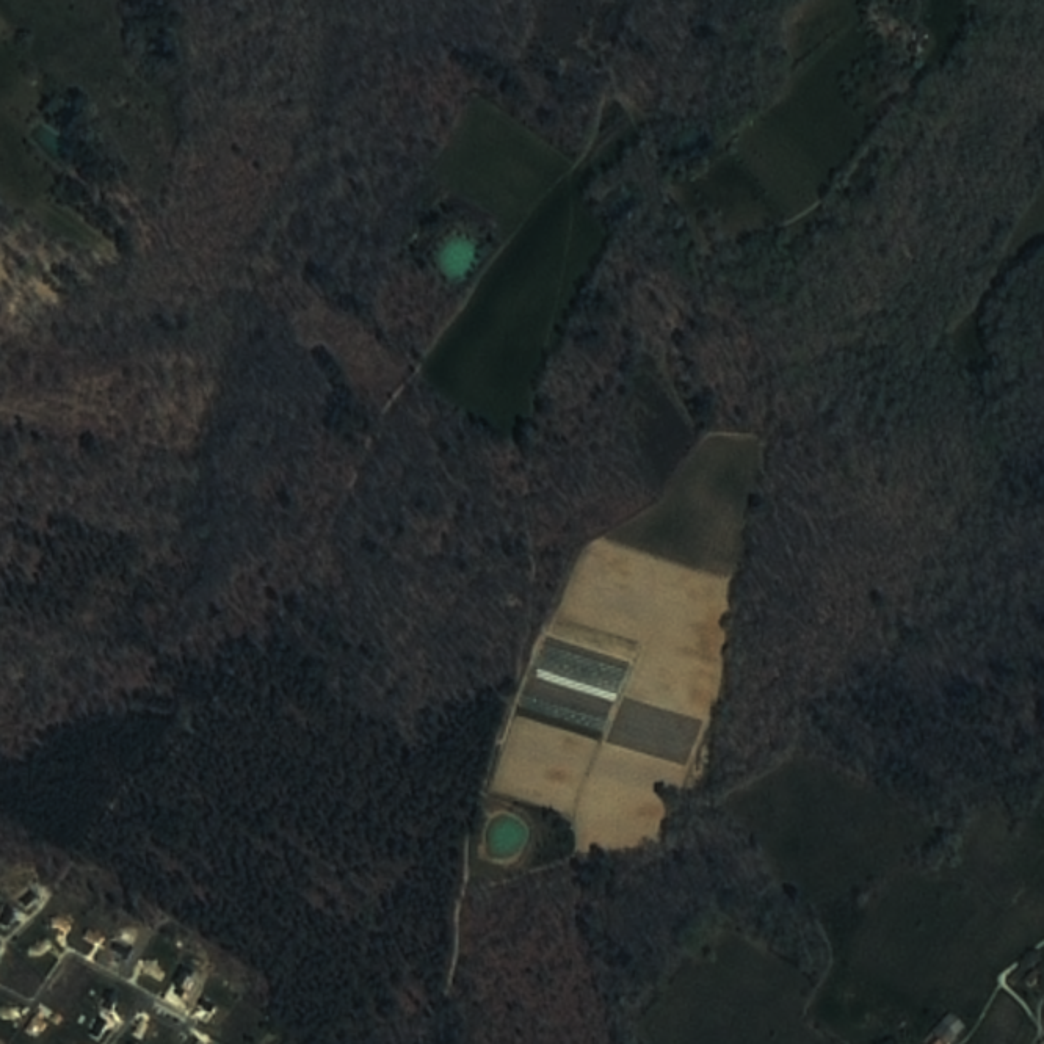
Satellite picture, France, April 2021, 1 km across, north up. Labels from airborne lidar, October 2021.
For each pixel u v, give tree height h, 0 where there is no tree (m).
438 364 0
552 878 9
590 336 13
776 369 18
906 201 20
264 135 15
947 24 0
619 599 0
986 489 30
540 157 0
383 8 19
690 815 12
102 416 0
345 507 15
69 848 16
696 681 0
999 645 17
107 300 21
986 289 20
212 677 10
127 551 20
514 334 0
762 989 0
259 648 15
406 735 12
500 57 17
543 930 9
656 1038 0
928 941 0
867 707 19
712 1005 0
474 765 21
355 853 14
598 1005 8
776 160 0
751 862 18
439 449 13
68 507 10
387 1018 17
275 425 13
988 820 0
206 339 22
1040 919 0
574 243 0
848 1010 0
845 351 15
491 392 0
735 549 0
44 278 19
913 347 27
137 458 10
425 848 19
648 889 17
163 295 16
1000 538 20
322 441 7
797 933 21
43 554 18
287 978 21
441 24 16
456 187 0
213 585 13
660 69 13
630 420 0
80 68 0
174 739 12
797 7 21
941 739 18
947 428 22
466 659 14
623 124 0
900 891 0
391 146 11
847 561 13
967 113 23
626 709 0
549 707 0
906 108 20
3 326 0
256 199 12
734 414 8
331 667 13
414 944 9
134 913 18
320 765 19
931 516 22
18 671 23
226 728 17
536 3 14
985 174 20
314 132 14
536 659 0
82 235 0
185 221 12
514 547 12
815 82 0
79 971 0
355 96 14
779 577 12
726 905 26
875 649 16
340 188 17
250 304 20
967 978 0
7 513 10
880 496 16
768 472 11
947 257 18
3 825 12
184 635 11
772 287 16
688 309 17
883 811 0
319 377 14
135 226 22
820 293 24
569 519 7
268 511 8
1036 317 24
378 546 18
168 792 18
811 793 0
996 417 26
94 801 13
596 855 13
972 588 14
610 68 17
